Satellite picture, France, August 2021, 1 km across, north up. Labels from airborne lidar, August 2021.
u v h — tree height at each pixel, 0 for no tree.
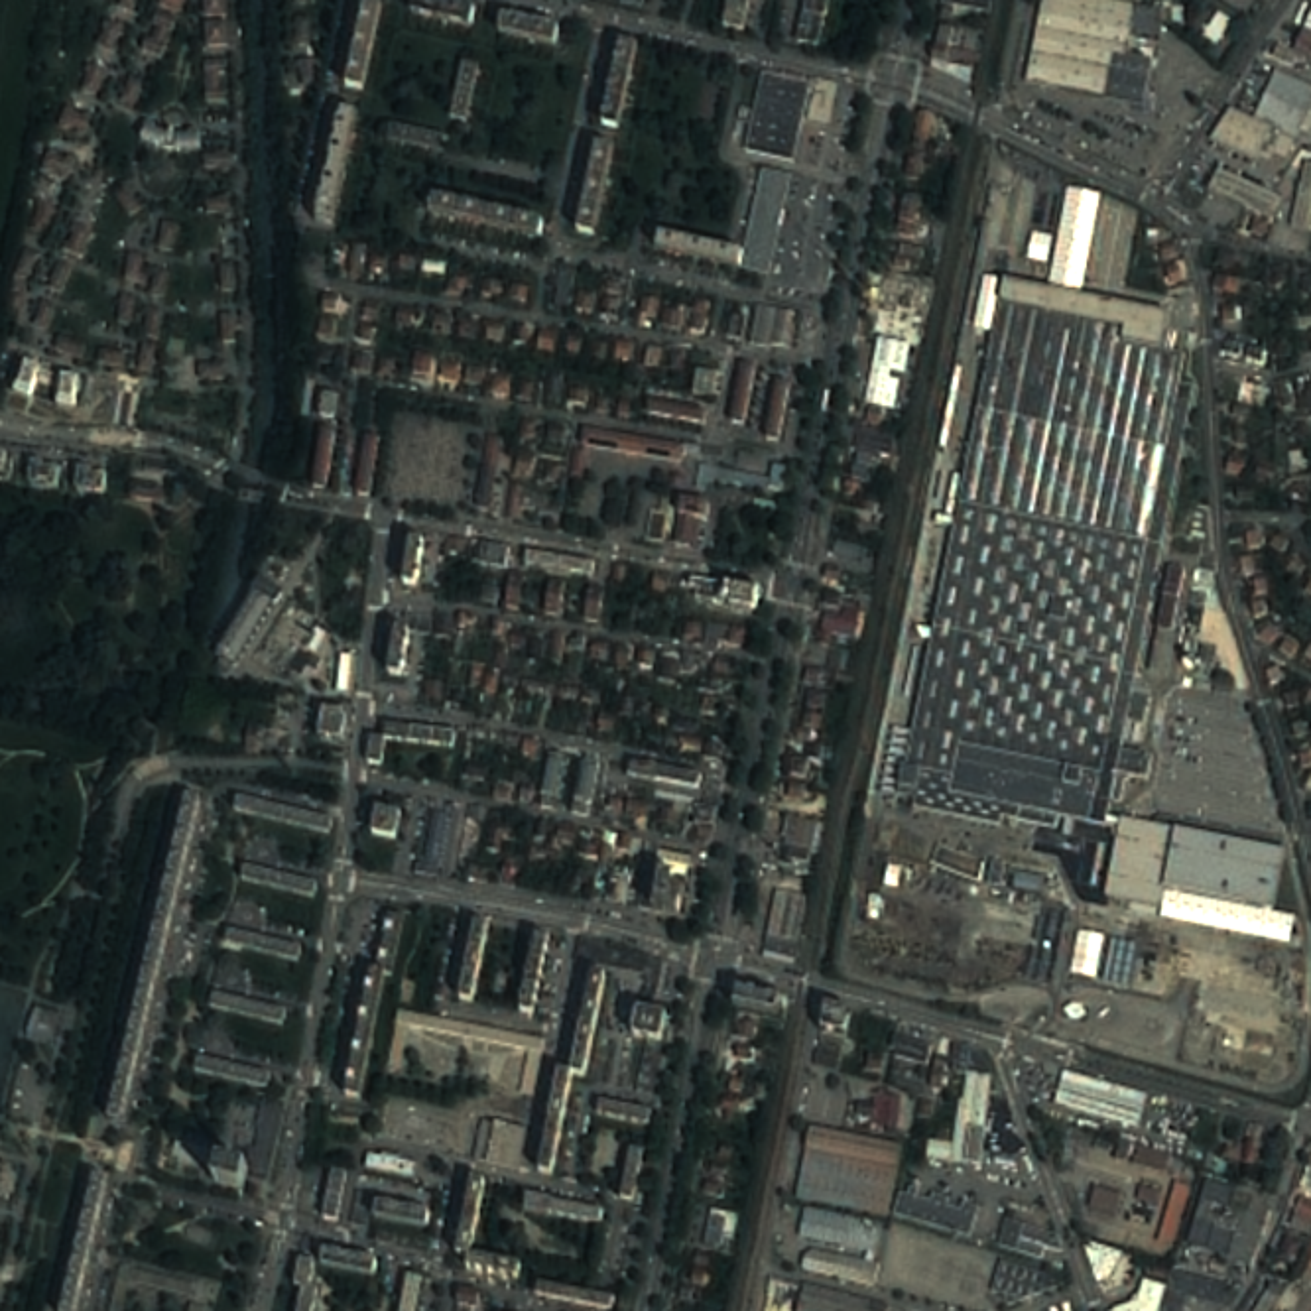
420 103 6
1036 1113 12
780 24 6
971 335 0
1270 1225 0
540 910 0
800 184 0
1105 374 0
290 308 17
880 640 0
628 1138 9
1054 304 0
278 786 12
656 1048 0
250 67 9
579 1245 8
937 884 0
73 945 8
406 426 0
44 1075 7
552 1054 0
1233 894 0
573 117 0
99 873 8
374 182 10
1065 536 0
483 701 0
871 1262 0
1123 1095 0
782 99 0
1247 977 0
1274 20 0
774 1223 0
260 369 15
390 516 0
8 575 21
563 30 8
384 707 0
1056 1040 0
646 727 7
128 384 0
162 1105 10
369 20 0
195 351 0
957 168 12
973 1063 0
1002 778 0
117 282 0
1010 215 0
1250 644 0
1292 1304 0
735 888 0
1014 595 0
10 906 6
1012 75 0
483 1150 0
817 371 13
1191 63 0
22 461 0
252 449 14
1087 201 0
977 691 0
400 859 0
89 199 0
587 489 14
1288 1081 0
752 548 9
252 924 0
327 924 0
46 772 13
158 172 12
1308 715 8
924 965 0
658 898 0
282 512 15
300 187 22
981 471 0
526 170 0
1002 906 0
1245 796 0
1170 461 0
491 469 0
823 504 13
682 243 0
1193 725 0
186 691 8
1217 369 0
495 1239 11
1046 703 0
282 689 10
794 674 19
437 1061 0
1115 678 0
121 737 11
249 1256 14
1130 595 0
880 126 0
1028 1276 0
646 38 10
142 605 0
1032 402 0
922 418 0
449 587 7
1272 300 6
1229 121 0
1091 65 0
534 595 14
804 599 0
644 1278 17
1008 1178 0
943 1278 0
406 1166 0
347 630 8
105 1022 8
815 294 0
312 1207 0
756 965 0
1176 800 0
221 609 0
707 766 0
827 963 7
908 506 0
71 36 6
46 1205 0
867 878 0
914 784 0
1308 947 0
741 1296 0
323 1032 8
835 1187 0
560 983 0
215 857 7
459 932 0
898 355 0
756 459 0
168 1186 9
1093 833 0
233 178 9
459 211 0
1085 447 0
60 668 17
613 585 6
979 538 0
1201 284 0
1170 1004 0
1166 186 0
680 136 14
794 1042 0
